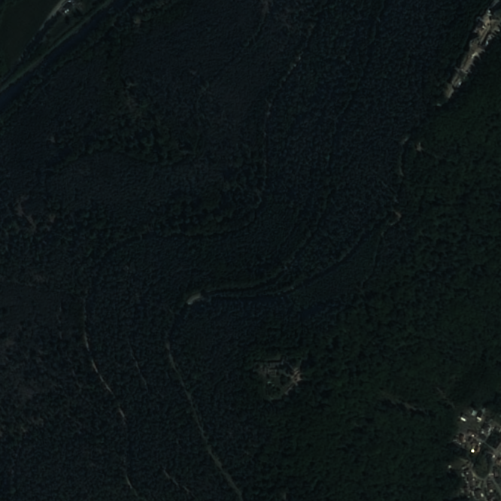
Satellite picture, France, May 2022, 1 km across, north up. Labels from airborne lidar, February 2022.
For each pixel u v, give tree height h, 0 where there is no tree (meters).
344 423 28
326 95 30
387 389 29
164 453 27
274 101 15
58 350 7
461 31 26
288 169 29
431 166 21
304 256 8
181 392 28
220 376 20
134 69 11
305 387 25
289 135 24
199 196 17
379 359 26
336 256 27
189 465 28
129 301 24
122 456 25
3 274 31
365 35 24
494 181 17
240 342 21
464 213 25
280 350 21
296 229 14
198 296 0
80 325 12
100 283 20
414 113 24
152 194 21
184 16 16
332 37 25
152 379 24
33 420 31
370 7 9
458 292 26
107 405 28
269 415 19
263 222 16
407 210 19
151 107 10
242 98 11
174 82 27
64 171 21
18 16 0
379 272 13
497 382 0
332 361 25
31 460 25
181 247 17
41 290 11
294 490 20
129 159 22
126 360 26
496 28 0
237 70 10
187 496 29
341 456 26
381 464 30
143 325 23
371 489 28
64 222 17
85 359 7
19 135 12
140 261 9
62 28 0
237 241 17
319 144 20
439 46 23
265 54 13
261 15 10
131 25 26
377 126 25
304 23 24
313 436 23
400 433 30
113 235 10
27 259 28
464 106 24
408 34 29
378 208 17
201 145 16
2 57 6
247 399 25
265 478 24
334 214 30
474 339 24
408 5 26
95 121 14
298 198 30
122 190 20
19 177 12
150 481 22
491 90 24
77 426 32
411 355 26
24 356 9
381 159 19
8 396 7
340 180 26
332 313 22
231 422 20
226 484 29
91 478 25
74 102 12
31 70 0
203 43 16
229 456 24
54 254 29
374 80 21
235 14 11
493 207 31
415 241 21
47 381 6
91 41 16
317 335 23
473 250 24
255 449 22
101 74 15
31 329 10
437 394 26
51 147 11
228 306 28
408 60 18
